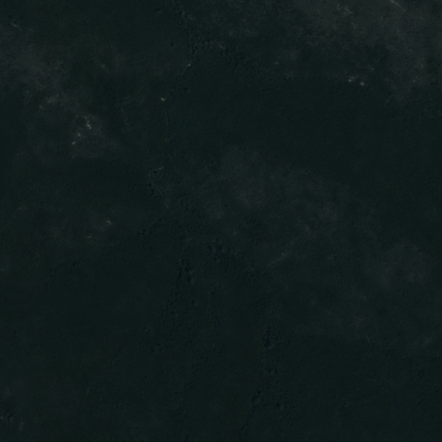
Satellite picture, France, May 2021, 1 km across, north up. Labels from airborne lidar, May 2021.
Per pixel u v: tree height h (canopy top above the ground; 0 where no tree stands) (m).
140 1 7
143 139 6
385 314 8
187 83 7
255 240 7
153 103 6
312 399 6
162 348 8
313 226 6
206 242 7
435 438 6
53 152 8
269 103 7
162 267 8
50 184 6
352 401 7
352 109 7
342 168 6
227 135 6
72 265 6
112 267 8
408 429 7
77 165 7
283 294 6
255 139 6
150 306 6
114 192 8
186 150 6
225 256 15
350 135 7
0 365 6
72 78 6
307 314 5
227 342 6
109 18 6
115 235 8
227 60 12
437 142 5
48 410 5
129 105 6
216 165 6
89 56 6
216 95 6
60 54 5
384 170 6
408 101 6
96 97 6
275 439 7
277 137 6
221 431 7
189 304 7
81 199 6
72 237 6
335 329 6
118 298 5
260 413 5
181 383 6
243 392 6
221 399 5
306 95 6
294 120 7
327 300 8
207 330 9
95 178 8
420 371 12
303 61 6
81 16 6
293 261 6
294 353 7
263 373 19
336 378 7
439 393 7
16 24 10
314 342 7
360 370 6
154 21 6
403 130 7
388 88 5
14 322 7
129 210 6
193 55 12
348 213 7
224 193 6
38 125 8
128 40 6
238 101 6
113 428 8
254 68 13
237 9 5
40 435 6
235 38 6
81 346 6
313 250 6
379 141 6
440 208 7
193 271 23
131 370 7
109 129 6
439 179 5
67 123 6
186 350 7
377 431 6
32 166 7
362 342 6
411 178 7
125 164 9
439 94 6
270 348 19
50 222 7
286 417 6
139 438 6
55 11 6
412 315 6
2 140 5
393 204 7
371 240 7
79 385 7
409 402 6
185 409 7
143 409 7
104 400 8
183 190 6
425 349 7
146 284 6
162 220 24
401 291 9
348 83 8
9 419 12
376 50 7
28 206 6
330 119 7
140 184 9
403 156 7
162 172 8
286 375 7
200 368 7
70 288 7
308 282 5
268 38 7
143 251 7
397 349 9
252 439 6
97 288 7
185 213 6
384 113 7
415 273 6
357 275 6
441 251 6
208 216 6
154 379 7
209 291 11
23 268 6
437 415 7
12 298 6
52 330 7
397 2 0
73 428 7
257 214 8
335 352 8
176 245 6
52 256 6
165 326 8
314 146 6
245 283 13
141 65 6
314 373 6
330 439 6
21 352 7
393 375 6
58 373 6
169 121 9
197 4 6
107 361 7
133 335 7
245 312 6
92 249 6
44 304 7
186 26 17
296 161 6
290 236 6
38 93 6
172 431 8
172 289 14
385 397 7
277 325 6
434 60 7
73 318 7
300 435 9
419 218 6
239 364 6
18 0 5
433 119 6
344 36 7
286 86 7
